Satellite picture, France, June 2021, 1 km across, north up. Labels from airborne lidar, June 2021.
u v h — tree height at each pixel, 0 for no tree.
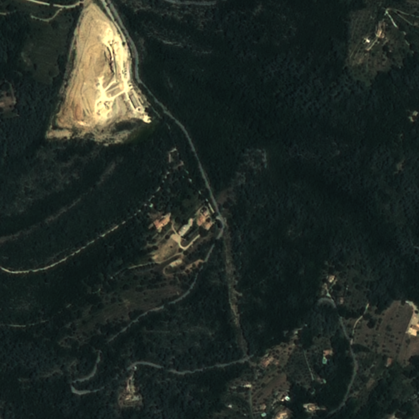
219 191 7
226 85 12
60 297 12
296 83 13
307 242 9
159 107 15
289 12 7
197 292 9
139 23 9
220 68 12
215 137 12
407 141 11
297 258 11
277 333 16
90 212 6
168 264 0
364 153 10
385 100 10
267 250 13
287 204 20
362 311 11
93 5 0
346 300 5
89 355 10
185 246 0
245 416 7
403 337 0
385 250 16
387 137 15
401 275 18
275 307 12
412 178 17
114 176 6
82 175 7
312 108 14
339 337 10
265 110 11
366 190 8
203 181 9
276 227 7
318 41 10
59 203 7
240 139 12
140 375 20
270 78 16
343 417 16
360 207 16
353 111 12
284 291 8
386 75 15
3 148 18
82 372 14
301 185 6
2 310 6
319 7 12
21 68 6
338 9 13
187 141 9
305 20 8
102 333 6
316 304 19
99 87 0
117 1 9
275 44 7
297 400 15
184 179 13
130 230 18
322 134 6
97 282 12
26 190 6
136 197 9
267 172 10
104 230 9
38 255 7
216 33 6
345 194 20
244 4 12
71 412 19
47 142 6
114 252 13
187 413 20
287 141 15
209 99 11
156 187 10
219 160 18
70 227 6
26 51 0
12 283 5
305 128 9
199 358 11
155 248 11
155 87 10
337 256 16
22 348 18
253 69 8
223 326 9
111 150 8
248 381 6
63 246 7
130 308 0
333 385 16
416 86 8
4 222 7
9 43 14
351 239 18
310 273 14
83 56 0
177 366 16
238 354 15
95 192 8
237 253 14
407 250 19
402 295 16
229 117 10
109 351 8
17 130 11
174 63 24
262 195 15
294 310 14
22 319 8
